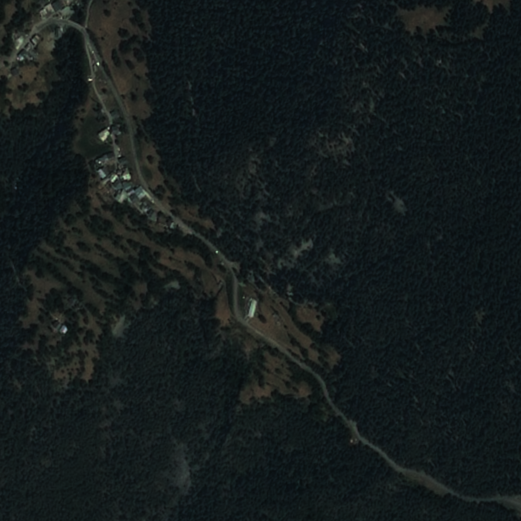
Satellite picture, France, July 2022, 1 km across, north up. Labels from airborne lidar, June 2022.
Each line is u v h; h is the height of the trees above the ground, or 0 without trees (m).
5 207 22
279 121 20
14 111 11
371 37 22
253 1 22
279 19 27
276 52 22
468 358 19
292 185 10
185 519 23
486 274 30
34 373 18
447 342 20
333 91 8
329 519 10
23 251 11
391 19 20
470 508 19
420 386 24
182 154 22
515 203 23
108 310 7
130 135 0
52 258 10
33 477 17
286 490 27
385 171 23
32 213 11
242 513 22
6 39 10
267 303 0
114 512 16
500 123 23
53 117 7
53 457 14
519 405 13
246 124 18
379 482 18
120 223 8
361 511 15
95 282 11
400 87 21
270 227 15
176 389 11
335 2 20
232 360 14
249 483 24
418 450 15
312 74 8
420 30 16
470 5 20
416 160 17
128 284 14
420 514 14
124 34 13
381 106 22
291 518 17
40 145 15
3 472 17
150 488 14
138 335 12
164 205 0
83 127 0
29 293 11
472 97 29
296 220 20
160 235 14
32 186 32
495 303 30
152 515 11
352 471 18
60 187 12
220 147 12
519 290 30
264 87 26
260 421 12
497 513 22
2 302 21
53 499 18
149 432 11
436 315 26
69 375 10
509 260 31
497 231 17
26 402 20
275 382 0
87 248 11
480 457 21
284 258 7
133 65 12
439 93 13
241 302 0
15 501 15
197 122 22
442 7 16
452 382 23
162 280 12
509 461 26
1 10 13
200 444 11
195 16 13
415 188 18
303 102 14
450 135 25
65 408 17
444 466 18
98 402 14
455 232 23
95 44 11
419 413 19
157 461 16
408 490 18
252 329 0
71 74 17
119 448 20
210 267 13
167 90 22
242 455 15
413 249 22
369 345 16
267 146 18
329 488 16
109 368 10
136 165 0
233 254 21
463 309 27
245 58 25
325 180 17
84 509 17
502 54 19
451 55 15
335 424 26
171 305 23
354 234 14
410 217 17
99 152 0
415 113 16
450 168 24
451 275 7
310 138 15
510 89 25
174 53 18
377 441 18
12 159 23
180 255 0
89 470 16
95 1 0
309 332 15
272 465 22
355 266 21
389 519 17
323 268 11
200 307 16
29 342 16
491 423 18
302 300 25
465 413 26
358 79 14
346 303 18
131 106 0
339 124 17
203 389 14
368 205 9
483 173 15
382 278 19
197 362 15
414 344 24
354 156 23
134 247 14
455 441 15
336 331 20
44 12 0
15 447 19
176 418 14
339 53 13
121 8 0
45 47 0
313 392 7
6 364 15
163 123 18
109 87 0
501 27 23
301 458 22
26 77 0
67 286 12
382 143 20
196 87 23
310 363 9
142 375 15
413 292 24
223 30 20
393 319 21
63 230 7
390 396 21
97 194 9
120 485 16
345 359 14
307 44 25
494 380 22
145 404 18
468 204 11
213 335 13
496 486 18
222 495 18
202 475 14
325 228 20
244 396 0
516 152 17
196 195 22
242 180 8
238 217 15
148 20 0
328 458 22
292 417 14
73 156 15
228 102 27
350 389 18
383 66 26
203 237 13
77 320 9
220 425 7
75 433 19
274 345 0
